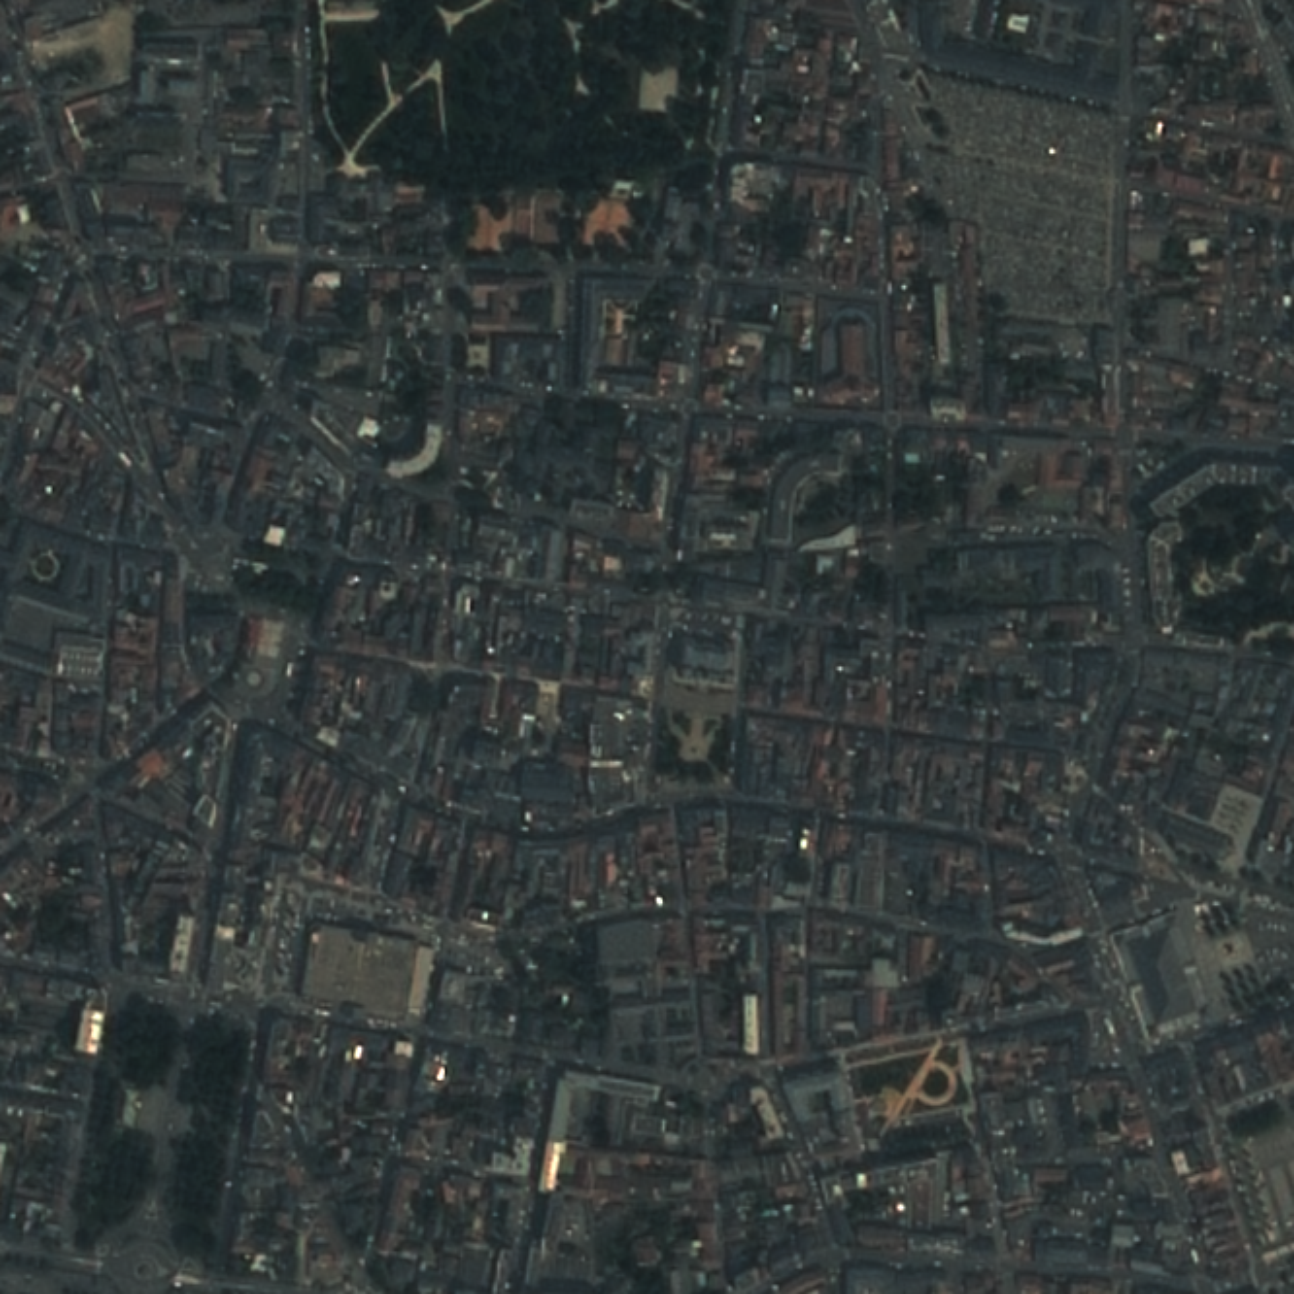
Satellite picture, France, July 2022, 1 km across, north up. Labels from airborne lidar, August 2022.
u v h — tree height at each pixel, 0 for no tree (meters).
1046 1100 0
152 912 0
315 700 0
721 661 0
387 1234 0
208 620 0
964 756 0
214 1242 9
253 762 0
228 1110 10
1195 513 11
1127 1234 0
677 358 0
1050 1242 0
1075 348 0
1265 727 0
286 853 0
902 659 0
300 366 17
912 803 0
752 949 0
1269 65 0
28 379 0
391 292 7
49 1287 0
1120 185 0
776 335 8
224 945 0
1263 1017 0
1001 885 0
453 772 0
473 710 0
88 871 0
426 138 25
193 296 7
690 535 0
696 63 14
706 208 12
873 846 0
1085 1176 0
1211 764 0
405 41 18
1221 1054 0
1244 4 0
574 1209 0
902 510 12
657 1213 8
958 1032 0
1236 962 0
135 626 0
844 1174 0
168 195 0
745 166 0
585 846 0
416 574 0
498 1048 0
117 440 0
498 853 0
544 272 0
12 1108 0
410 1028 0
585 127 16
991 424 0
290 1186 0
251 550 15
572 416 0
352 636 0
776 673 0
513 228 0
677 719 9
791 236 14
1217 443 0
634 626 0
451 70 15
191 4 0
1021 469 0
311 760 0
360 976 0
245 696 0
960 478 8
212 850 0
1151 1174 0
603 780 0
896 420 0
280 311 0
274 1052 0
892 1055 0
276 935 0
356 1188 7
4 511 10
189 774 0
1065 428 0
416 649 0
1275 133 6
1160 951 0
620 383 0
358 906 0
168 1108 0
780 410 0
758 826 0
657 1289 16
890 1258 0
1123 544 0
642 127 6
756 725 0
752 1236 5
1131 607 0
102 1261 0
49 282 0
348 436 0
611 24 13
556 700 0
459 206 27
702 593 0
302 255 0
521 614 0
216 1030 17
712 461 0
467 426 0
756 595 0
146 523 0
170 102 0
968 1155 0
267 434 0
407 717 0
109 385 0
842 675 8
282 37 0
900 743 0
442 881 0
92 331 0
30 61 0
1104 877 0
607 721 0
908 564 0
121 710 0
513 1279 0
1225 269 0
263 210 0
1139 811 0
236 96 14
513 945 8
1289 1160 0
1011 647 0
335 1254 0
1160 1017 0
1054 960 0
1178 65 7
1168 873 0
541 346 0
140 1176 17
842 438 0
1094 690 0
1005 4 6
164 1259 0
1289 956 0
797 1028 0
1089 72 0
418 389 7
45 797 0
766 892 0
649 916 0
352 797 0
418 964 0
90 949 0
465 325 0
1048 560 0
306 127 0
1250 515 9
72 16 0
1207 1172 0
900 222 0
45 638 0
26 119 0
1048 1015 0
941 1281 0
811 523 13
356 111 0
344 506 0
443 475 8
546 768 0
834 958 0
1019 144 0
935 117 12
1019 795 8
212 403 0
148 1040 17
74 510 0
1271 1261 0
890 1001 0
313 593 11
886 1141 11
